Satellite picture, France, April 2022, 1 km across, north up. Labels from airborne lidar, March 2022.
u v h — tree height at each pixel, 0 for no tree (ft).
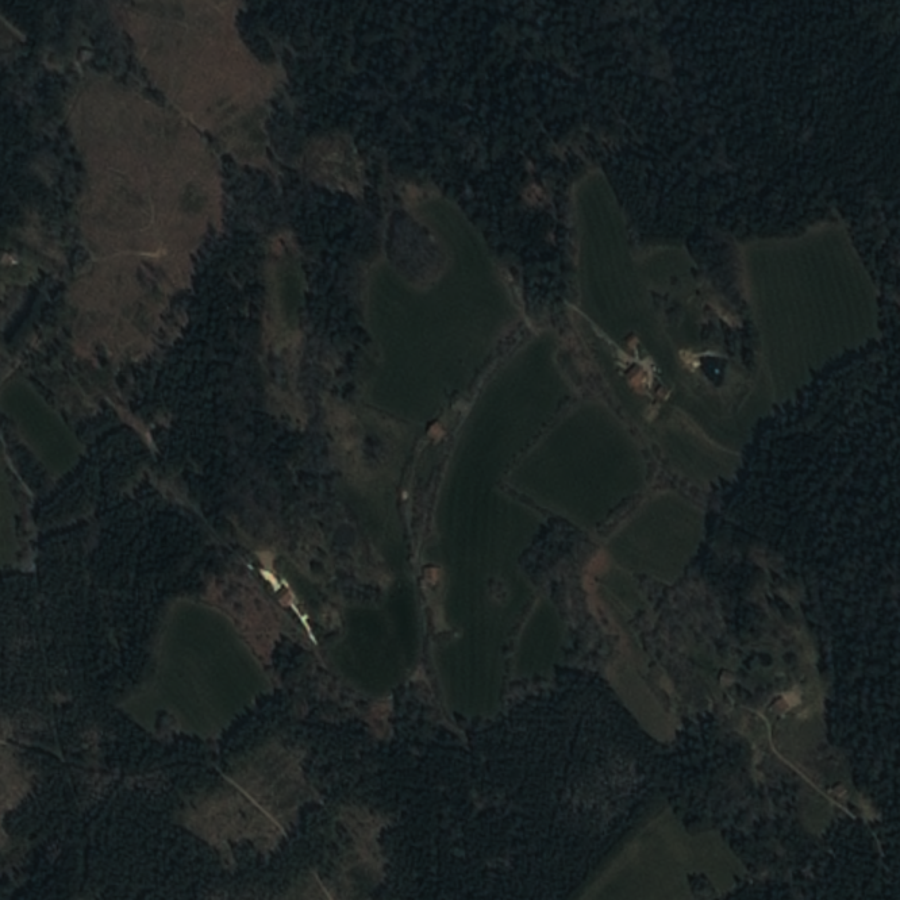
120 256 0
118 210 0
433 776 63
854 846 30
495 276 0
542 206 35
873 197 70
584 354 0
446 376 0
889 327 41
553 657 0
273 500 95
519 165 52
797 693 0
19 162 62
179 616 0
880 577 52
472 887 66
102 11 91
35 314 84
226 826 0
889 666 68
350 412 0
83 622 71
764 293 0
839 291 0
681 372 0
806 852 21
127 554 79
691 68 77
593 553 58
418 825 56
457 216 0
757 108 67
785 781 20
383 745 22
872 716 40
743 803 29
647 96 87
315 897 0
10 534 0
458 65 95
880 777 92
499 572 0
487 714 0
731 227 87
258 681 0
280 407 0
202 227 0
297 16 69
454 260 0
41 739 55
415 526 22
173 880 71
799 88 65
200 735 0
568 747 43
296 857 73
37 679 63
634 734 68
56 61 41
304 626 19
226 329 90
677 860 0
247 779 0
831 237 0
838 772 0
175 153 0
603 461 0
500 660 0
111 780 70
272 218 90
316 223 95
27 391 0
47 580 54
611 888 0
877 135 63
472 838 68
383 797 47
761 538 84
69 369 55
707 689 0
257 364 93
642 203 92
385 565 0
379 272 0
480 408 0
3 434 53
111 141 0
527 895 51
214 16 0
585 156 0
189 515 51
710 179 50
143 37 0
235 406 66
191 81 0
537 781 57
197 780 50
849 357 0
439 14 94
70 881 85
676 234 76
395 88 107
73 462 0
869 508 72
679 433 0
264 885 77
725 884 0
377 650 0
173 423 76
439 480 18
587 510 0
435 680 30
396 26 96
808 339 0
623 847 57
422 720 36
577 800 66
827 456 29
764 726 0
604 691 71
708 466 0
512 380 0
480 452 0
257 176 71
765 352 0
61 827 60
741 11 86
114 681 83
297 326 0
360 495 0
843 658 53
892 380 37
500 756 58
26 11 54
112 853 63
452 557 0
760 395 0
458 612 0
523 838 30
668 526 0
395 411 0
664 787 34
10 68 33
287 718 70
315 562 18
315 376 45
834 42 63
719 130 66
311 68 56
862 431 47
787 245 0
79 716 58
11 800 0
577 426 0
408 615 0
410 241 87
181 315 87
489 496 0
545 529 0
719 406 0
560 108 118
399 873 50
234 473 84
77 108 0
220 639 0
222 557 60
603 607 0
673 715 0
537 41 92
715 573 98
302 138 76
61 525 69
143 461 82
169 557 72
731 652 73
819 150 69
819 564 58
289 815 0
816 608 49
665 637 48
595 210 0
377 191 27
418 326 0
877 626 77
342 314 77
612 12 119
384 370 0
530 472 0
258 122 0
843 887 80
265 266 73
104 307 0
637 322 0
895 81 68
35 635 64
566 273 73
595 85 141
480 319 0
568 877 72
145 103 0
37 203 63
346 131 82
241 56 0
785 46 64
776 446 58
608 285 0
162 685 0
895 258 55
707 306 0
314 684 48
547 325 35
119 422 77
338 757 55
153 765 59
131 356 83
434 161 76
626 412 33
